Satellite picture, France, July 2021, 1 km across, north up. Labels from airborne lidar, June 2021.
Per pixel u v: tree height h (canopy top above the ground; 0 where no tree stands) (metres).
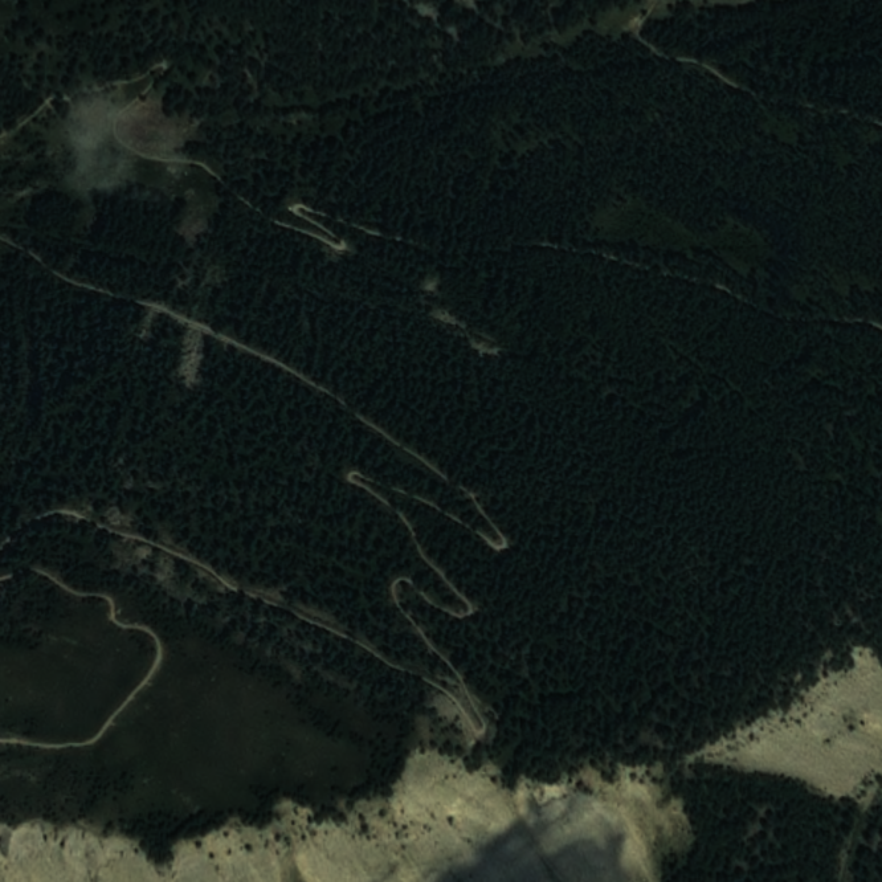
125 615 0
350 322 15
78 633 0
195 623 9
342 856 0
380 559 10
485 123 25
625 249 24
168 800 0
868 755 0
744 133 32
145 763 0
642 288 20
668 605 22
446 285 8
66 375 8
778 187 22
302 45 28
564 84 28
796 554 18
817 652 11
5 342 25
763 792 17
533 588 18
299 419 21
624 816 0
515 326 10
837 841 15
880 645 10
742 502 15
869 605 17
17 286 13
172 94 21
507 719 18
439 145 22
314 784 0
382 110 7
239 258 17
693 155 32
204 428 11
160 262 11
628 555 18
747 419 20
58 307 22
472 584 12
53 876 0
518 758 14
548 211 23
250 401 22
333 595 7
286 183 16
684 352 21
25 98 16
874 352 22
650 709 20
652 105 28
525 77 12
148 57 22
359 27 20
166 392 15
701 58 23
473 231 18
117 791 7
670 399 19
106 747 0
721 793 24
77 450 16
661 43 23
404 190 22
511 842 0
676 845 0
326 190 19
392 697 7
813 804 13
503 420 14
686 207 19
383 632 15
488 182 7
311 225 6
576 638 14
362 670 7
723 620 24
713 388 20
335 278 21
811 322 24
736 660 14
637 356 20
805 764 0
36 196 7
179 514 19
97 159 8
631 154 27
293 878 0
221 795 0
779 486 19
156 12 16
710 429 24
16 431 7
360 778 0
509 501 19
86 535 16
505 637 14
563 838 0
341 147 22
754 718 10
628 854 0
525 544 24
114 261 23
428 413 25
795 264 29
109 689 0
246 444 21
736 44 29
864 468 20
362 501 9
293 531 17
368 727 0
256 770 0
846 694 0
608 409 18
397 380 19
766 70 32
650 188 21
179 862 0
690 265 26
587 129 29
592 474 22
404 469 19
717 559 22
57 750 0
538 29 21
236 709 0
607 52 8
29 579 11
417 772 0
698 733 15
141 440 21
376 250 7
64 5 0
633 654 25
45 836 0
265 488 20
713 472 26
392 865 0
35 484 9
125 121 0
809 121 31
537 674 21
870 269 29
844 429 22
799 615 17
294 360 14
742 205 20
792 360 27
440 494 15
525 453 20
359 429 7
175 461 19
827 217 26
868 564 20
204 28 17
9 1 0
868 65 31
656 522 21
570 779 9
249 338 17
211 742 0
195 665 0
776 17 26
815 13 13
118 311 14
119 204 29
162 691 0
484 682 18
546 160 32
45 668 0
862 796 6
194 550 17
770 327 23
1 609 11
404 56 25
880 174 23
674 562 18
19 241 17
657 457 17
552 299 21
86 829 0
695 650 18
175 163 0
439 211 26
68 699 0
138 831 9
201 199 0
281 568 22
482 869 0
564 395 11
